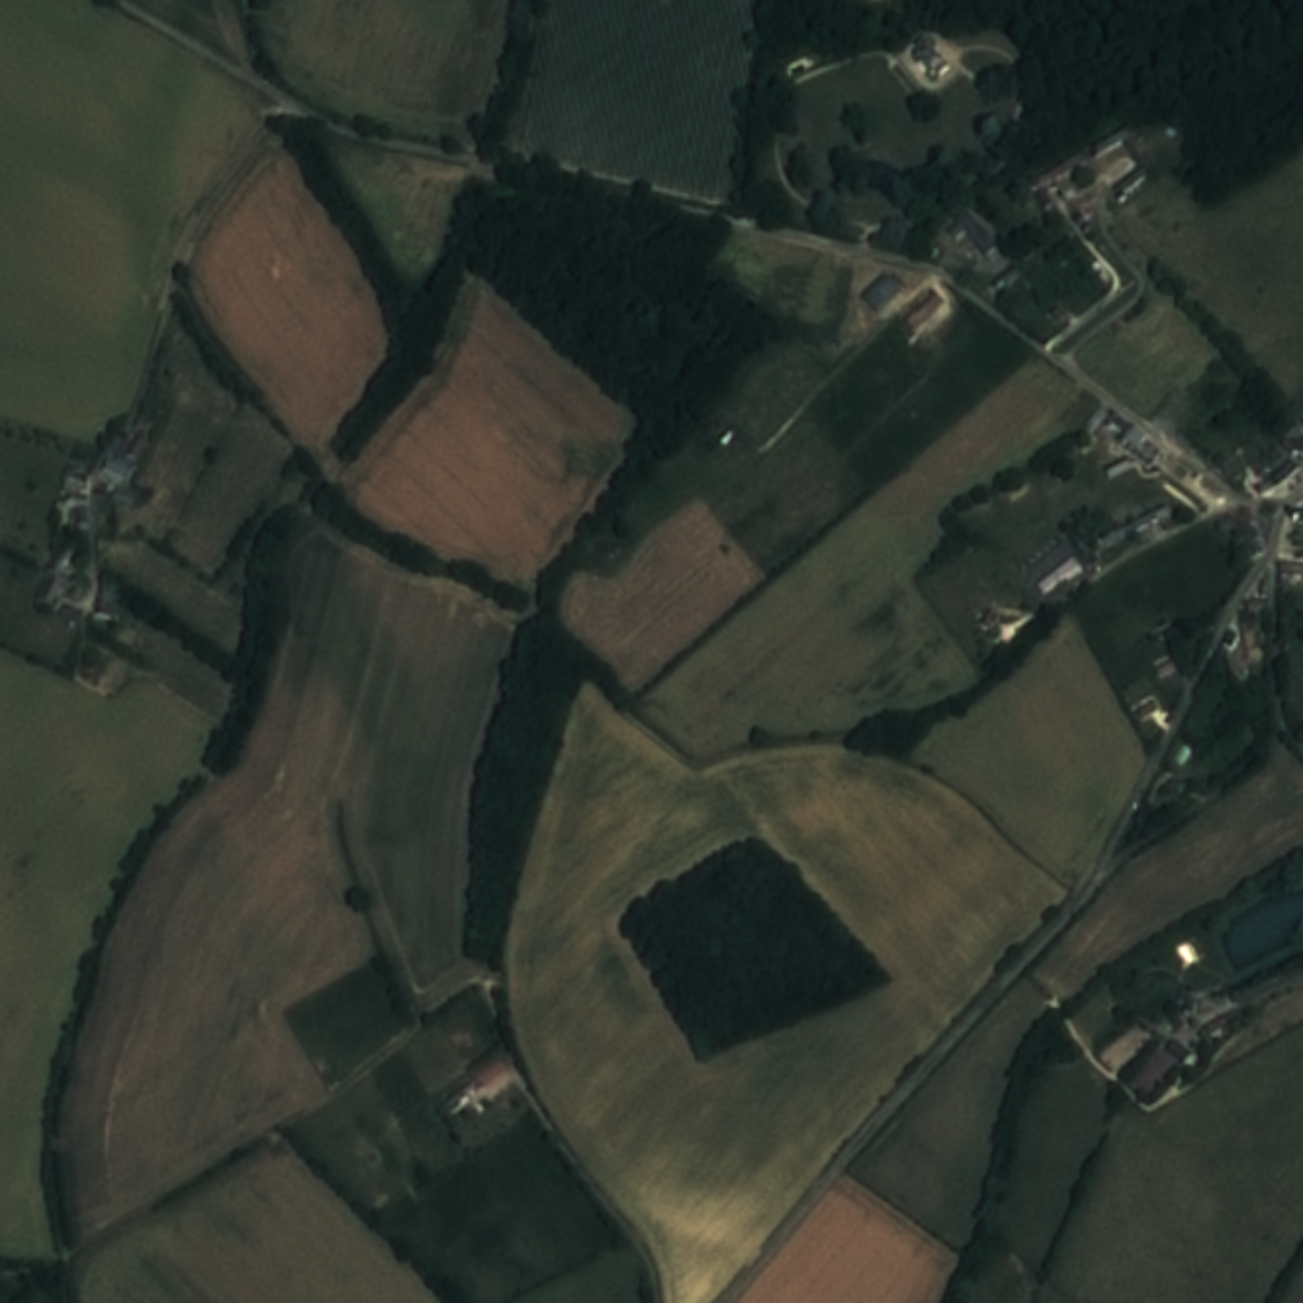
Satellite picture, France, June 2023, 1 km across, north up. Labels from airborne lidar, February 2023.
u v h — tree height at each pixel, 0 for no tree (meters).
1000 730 0
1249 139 13
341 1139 0
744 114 9
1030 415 0
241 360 0
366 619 0
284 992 0
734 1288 0
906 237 22
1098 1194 0
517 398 0
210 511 0
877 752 15
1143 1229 0
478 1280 0
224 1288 0
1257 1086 0
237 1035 0
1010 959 9
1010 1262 0
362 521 12
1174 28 32
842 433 0
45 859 0
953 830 0
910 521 0
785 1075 0
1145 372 0
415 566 17
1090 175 15
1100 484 0
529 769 20
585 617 0
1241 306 0
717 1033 24
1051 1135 0
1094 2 35
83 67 0
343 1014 0
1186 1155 0
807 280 0
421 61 0
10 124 0
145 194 0
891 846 0
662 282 23
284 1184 0
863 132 12
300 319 0
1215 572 0
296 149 13
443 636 0
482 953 16
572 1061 0
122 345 0
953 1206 0
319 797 0
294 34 0
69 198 0
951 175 28
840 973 23
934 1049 0
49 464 0
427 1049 0
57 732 0
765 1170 0
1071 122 15
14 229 0
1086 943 0
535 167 6
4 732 0
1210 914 11
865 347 0
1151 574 0
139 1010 0
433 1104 0
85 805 0
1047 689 0
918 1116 0
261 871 0
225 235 0
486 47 0
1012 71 13
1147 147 0
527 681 21
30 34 0
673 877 0
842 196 17
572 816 0
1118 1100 8
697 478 0
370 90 0
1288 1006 0
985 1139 0
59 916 0
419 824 0
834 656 0
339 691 0
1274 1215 0
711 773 0
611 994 0
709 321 22
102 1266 0
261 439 0
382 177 0
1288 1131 0
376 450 0
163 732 0
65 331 0
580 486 0
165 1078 0
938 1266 0
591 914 0
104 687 0
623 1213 0
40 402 0
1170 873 0
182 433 0
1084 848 0
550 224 20
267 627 16
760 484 0
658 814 0
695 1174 0
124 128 0
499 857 17
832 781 0
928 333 0
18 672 0
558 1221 0
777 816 0
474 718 0
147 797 0
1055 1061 12
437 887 0
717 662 0
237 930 0
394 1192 0
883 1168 0
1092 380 0
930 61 0
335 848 0
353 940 0
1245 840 0
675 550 0
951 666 0
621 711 11
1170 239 0
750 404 0
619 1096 0
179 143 0
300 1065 0
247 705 11
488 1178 0
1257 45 33
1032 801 0
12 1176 0
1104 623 0
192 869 0
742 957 31
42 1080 0
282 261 0
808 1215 0
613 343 19
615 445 0
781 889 25
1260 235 0
